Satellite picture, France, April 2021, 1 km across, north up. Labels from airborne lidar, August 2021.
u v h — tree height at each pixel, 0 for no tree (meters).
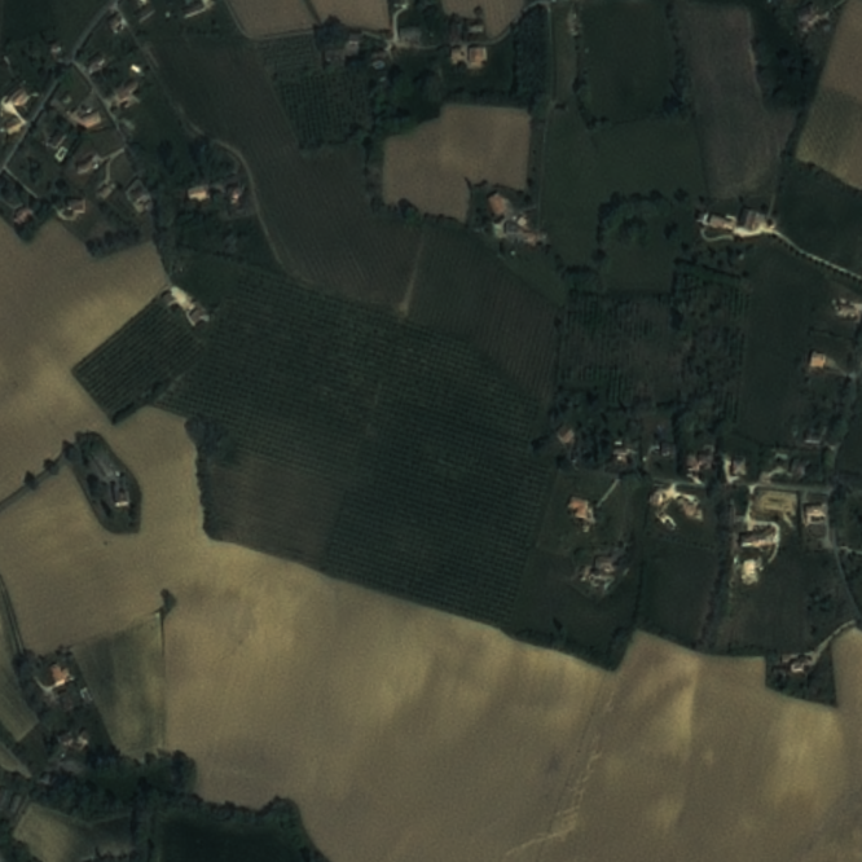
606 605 0
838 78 0
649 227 15
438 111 0
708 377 7
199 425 15
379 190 12
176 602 16
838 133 0
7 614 0
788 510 0
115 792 0
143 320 6
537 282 0
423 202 0
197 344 0
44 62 12
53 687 0
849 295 0
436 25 7
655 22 0
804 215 0
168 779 0
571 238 0
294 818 9
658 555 6
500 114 0
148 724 0
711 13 0
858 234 0
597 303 12
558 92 0
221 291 0
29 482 8
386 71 0
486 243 0
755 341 0
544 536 0
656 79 0
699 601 0
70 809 28
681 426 13
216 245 0
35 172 11
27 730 0
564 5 0
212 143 16
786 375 0
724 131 0
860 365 11
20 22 0
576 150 0
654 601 0
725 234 0
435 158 0
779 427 0
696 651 12
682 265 11
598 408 11
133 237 13
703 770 0
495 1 0
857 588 8
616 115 0
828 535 0
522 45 11
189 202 9
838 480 15
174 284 0
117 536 0
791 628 0
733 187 0
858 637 0
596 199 0
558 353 6
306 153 9
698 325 10
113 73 9
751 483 0
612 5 0
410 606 0
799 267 0
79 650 0
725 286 7
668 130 0
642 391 6
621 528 0
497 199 0
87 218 0
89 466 16
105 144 0
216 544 0
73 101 0
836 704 12
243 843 0
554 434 9
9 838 12
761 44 14
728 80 0
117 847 0
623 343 7
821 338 0
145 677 0
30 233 18
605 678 0
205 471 12
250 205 17
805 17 0
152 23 0
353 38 0
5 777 9
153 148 0
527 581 0
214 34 6
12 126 0
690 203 15
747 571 0
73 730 13
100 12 0
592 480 0
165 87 0
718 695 0
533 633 10
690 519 0
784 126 0
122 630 0
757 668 0
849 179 0
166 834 0
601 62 0
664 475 0
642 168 0
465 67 9
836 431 17
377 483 6
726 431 12
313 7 0
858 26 0
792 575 0
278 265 0
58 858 0
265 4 0
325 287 0
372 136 8
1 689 0
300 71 6
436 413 6
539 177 0
